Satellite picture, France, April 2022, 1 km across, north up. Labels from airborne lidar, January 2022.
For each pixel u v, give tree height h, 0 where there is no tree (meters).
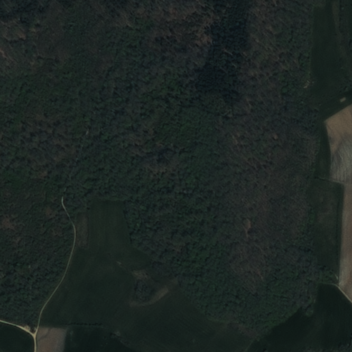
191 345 0
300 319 0
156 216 28
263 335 22
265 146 33
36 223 8
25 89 25
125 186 28
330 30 0
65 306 0
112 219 0
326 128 0
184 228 10
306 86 23
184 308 0
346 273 0
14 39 26
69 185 30
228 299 29
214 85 30
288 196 22
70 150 30
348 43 0
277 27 31
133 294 0
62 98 10
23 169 23
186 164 29
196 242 28
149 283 0
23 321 12
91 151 33
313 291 30
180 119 26
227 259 26
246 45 28
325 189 0
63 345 0
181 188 20
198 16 7
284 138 33
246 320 24
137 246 19
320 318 0
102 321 0
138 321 0
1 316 13
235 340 0
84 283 0
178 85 13
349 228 0
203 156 25
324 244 0
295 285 29
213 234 29
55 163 31
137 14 15
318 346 0
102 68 19
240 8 10
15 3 33
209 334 0
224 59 17
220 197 27
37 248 9
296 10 32
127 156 30
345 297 0
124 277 0
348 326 0
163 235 28
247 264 25
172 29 10
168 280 0
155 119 30
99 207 0
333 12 0
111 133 26
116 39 18
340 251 0
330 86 0
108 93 31
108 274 0
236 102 27
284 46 31
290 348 0
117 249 0
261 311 27
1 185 12
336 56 0
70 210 30
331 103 0
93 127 24
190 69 32
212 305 26
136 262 0
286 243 26
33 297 21
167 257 24
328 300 0
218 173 28
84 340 0
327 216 0
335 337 0
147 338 0
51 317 0
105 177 26
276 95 26
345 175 0
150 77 28
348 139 0
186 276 8
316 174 0
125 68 30
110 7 18
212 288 23
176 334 0
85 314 0
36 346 0
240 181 28
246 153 29
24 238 8
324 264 0
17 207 9
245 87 28
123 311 0
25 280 29
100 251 0
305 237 19
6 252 8
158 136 28
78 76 17
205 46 0
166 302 0
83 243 0
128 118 29
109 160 26
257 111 29
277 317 25
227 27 10
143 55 18
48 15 30
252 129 26
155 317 0
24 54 32
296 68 32
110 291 0
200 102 27
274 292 24
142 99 12
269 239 24
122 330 0
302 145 22
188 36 8
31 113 10
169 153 23
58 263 14
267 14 17
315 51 0
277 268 30
